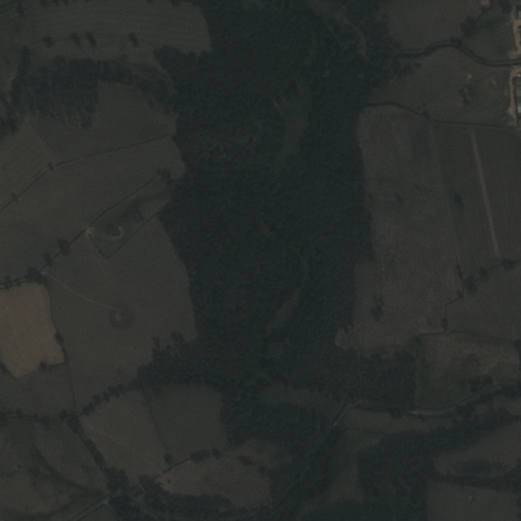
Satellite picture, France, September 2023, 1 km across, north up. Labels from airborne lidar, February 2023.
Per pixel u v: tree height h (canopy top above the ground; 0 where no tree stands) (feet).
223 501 22
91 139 0
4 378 0
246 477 0
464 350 0
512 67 0
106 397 45
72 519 0
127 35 0
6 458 0
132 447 0
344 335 0
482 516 0
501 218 0
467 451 0
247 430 62
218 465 0
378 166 0
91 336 0
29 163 0
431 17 0
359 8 75
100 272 0
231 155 62
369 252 62
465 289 43
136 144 0
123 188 0
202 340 47
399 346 0
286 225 80
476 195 0
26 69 58
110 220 0
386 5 0
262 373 0
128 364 0
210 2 76
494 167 0
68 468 0
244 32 70
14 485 0
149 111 0
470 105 0
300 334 79
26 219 0
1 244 0
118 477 52
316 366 50
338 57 52
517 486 52
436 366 0
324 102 73
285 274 68
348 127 64
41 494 0
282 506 69
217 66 80
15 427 0
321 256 72
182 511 23
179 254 49
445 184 0
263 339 0
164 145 0
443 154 0
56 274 0
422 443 73
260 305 60
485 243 0
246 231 0
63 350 29
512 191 0
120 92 0
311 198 55
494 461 0
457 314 0
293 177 89
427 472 62
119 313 0
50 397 0
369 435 0
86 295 0
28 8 0
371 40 67
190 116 45
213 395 0
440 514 0
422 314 0
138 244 0
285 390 0
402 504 18
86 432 0
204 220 62
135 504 0
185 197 68
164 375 76
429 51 20
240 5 21
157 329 0
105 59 0
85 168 0
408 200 0
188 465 0
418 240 0
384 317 0
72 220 0
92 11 0
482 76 0
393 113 0
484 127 0
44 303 0
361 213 21
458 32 0
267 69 50
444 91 0
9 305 0
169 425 0
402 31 0
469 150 0
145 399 0
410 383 57
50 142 0
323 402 0
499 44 0
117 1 0
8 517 0
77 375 0
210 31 38
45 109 51
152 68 0
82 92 67
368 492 0
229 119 61
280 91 62
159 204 0
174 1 55
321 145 82
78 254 0
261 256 69
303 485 62
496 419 77
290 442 42
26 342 0
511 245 0
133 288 0
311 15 54
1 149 0
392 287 0
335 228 70
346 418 0
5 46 0
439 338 0
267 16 62
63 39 0
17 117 0
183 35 0
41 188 0
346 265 56
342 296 62
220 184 26
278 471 49
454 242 0
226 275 85
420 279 0
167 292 0
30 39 0
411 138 0
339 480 0
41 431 0
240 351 71
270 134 76
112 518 0
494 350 0
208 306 67
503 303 0
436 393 0
